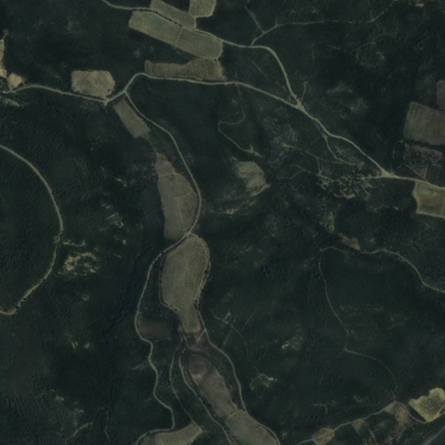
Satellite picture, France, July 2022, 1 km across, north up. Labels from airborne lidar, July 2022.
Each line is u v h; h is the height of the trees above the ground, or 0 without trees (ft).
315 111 0
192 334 0
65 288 31
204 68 0
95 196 20
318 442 0
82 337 27
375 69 33
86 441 29
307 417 26
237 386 0
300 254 20
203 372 0
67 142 18
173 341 20
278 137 0
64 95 23
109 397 22
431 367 18
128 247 27
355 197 18
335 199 33
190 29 0
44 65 18
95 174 39
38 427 36
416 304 31
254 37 0
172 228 0
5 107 18
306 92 0
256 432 0
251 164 0
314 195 18
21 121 25
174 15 0
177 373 27
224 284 19
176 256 0
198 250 0
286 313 31
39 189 21
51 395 31
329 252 22
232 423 0
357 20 29
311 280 31
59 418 32
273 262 38
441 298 18
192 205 0
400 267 24
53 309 20
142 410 19
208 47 0
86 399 17
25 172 21
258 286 19
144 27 0
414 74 27
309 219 42
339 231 24
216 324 0
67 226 19
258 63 0
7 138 34
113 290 29
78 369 22
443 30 27
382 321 18
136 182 19
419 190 0
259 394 22
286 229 36
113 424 24
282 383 27
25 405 32
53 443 38
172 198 0
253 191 0
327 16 20
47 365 22
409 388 20
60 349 22
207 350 0
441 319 23
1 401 30
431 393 0
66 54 18
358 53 51
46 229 22
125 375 25
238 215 23
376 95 24
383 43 42
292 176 26
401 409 0
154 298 24
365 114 22
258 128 24
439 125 0
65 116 28
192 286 0
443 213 0
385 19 25
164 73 0
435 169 20
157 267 21
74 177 22
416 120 0
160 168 0
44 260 22
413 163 23
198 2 0
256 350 28
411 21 22
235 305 0
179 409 23
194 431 0
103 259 25
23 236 20
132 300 18
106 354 40
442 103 0
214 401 0
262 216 27
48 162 24
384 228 21
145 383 24
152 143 0
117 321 39
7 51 19
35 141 30
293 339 0
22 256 28
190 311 0
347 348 0
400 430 0
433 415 0
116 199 24
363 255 31
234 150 23
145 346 22
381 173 0
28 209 20
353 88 28
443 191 0
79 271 27
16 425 25
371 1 18
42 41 19
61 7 0
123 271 33
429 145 37
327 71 31
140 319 0
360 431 0
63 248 23
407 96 24
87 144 26
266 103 0
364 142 23
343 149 0
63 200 27
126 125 0
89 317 19
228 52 19
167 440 0
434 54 21
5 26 31
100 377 28
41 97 17
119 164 20
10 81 0
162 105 17
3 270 20
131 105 24
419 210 0
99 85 0
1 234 26
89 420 19
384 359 18
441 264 18
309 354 31
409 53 25
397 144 24
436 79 20
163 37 0
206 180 20
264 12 0
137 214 23
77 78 0
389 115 23
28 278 33
